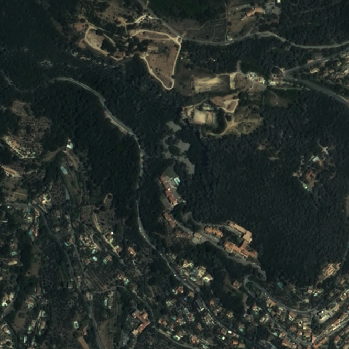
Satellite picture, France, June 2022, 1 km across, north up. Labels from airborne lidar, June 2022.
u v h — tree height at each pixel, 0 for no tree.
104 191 15
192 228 10
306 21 8
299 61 11
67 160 6
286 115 17
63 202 6
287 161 9
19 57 9
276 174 8
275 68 19
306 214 18
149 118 10
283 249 8
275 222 13
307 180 10
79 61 7
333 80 6
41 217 13
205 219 17
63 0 8
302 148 16
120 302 6
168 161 12
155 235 7
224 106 0
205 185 10
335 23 9
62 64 18
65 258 12
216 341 7
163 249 13
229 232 9
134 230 11
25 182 15
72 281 8
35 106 20
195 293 7
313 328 20
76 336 14
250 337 16
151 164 10
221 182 11
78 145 24
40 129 9
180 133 9
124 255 11
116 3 0
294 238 14
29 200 13
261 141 13
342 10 13
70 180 0
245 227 12
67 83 21
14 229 18
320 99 15
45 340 8
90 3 6
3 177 10
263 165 9
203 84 0
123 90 14
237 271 16
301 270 7
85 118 25
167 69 0
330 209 14
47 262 7
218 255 17
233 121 0
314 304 7
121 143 20
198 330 9
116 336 7
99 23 7
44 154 10
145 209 20
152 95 7
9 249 16
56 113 17
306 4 11
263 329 12
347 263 15
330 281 16
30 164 14
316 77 9
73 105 12
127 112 11
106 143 20
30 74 15
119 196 18
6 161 22
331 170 20
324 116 8
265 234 16
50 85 15
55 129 21
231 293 17
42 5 9
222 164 14
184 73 0
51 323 14
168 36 0
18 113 7
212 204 7
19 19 6
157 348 6
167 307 6
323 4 8
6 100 13
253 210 19
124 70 8
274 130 18
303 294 6
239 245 8
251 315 29
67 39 8
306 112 9
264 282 10
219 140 8
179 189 13
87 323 0
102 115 14
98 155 22
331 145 8
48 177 22
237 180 13
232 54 7
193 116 5
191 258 12
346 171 8
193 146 13
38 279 8
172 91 11
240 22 0
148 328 17
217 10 6
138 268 6
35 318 6
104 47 14
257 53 11
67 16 8
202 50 18
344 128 7
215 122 0
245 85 0
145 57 0
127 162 22
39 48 8
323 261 15
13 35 7
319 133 13
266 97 6
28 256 19
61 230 6
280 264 11
